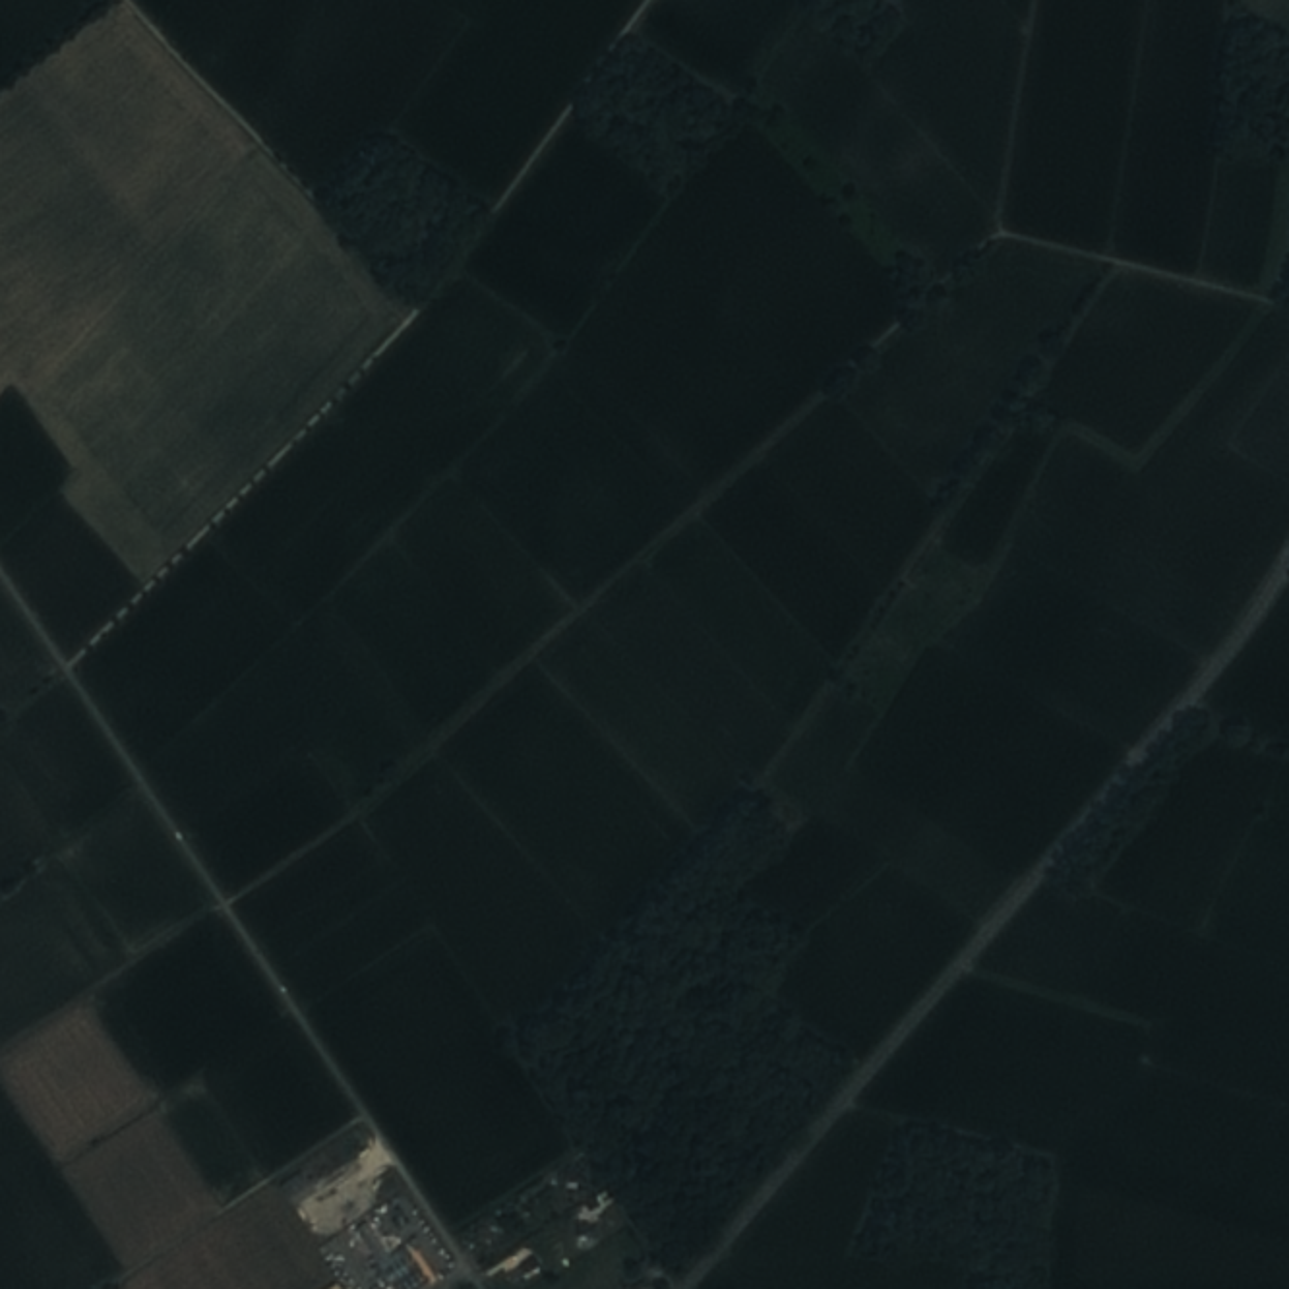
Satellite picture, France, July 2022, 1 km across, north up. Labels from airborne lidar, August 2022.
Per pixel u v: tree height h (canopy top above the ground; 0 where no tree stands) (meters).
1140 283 0
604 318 0
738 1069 30
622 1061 23
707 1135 23
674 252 0
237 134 0
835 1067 24
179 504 0
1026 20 0
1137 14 0
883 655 0
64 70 0
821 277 0
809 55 0
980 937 0
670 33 0
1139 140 0
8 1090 0
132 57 0
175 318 0
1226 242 0
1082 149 0
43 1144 0
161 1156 0
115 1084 0
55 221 0
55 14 0
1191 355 0
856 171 0
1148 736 0
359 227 26
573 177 0
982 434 16
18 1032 0
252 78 0
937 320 0
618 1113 22
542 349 0
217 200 0
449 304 0
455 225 26
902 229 0
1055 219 0
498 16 0
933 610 0
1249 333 0
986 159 0
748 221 0
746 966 28
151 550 0
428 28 0
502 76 0
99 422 0
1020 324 0
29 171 0
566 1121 20
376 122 0
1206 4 0
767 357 0
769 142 0
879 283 0
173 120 0
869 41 24
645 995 25
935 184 0
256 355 0
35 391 0
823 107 0
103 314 0
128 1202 0
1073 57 0
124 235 0
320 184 0
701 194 0
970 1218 18
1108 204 0
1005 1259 24
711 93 17
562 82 0
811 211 0
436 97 0
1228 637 0
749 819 25
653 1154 24
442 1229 0
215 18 0
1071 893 14
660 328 0
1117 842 21
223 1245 0
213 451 0
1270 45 27
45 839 0
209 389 0
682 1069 28
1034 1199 22
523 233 0
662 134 24
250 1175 0
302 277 0
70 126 0
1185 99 0
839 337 0
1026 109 0
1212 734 18
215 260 0
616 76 19
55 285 0
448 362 0
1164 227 0
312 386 0
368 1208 0
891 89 0
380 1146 0
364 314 0
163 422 0
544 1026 22
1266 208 0
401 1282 0
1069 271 0
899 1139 15
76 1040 0
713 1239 22
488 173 0
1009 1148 22
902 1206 20
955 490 14
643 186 0
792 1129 26
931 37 0
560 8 0
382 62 0
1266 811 10
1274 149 21
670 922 26
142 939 0
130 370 0
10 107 0
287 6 0
